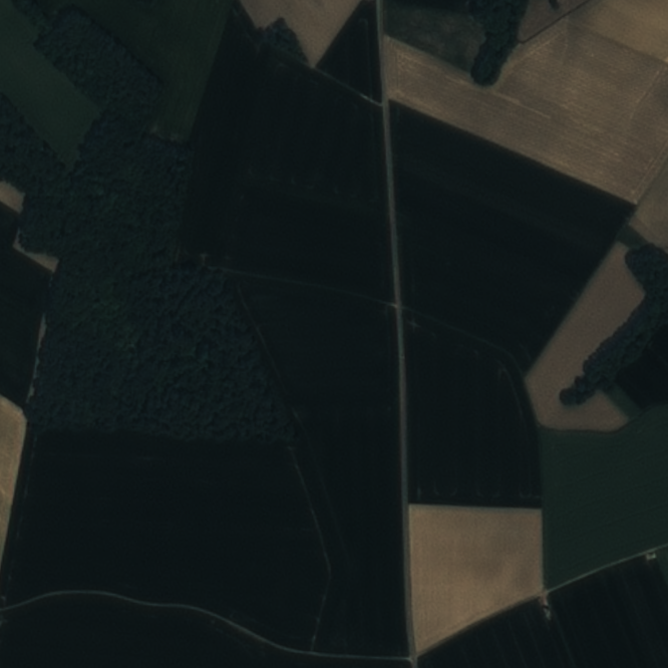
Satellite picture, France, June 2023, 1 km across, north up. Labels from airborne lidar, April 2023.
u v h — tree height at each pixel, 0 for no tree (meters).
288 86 0
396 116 0
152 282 19
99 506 0
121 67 27
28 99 0
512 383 0
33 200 23
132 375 23
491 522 0
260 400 21
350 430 0
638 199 0
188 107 0
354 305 0
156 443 0
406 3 0
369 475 0
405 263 0
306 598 0
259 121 0
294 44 15
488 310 0
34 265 0
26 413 15
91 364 15
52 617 0
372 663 0
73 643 0
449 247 0
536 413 0
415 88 0
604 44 0
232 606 0
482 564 0
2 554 0
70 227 29
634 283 0
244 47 0
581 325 0
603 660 0
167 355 9
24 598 0
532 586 0
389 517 0
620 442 0
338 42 0
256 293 0
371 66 0
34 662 0
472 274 0
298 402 0
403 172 0
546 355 0
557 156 0
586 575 0
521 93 0
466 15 0
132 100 17
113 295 18
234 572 0
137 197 24
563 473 0
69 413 18
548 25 0
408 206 0
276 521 0
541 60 0
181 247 0
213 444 0
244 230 0
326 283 0
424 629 0
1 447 0
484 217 0
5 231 0
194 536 0
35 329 0
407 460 0
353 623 0
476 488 0
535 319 0
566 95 0
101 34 20
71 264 20
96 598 0
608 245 0
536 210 0
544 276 0
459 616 0
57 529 0
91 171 26
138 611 0
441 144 0
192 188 0
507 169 0
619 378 0
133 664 0
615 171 0
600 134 0
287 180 0
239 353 14
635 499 0
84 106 0
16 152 25
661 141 0
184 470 0
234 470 0
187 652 0
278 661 0
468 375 0
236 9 0
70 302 26
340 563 0
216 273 8
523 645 0
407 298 0
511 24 23
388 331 0
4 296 0
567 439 0
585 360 0
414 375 0
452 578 0
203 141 0
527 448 0
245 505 0
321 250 0
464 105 0
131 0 0
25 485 0
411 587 0
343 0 0
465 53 0
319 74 0
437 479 0
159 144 23
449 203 0
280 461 0
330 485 0
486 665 0
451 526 0
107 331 20
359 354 0
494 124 0
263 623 0
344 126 0
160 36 0
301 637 0
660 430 0
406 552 0
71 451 0
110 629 0
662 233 0
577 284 0
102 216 28
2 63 0
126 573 0
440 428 0
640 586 0
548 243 0
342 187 0
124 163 23
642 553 0
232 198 0
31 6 24
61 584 0
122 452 0
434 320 0
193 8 0
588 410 0
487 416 0
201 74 0
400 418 0
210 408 25
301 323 0
